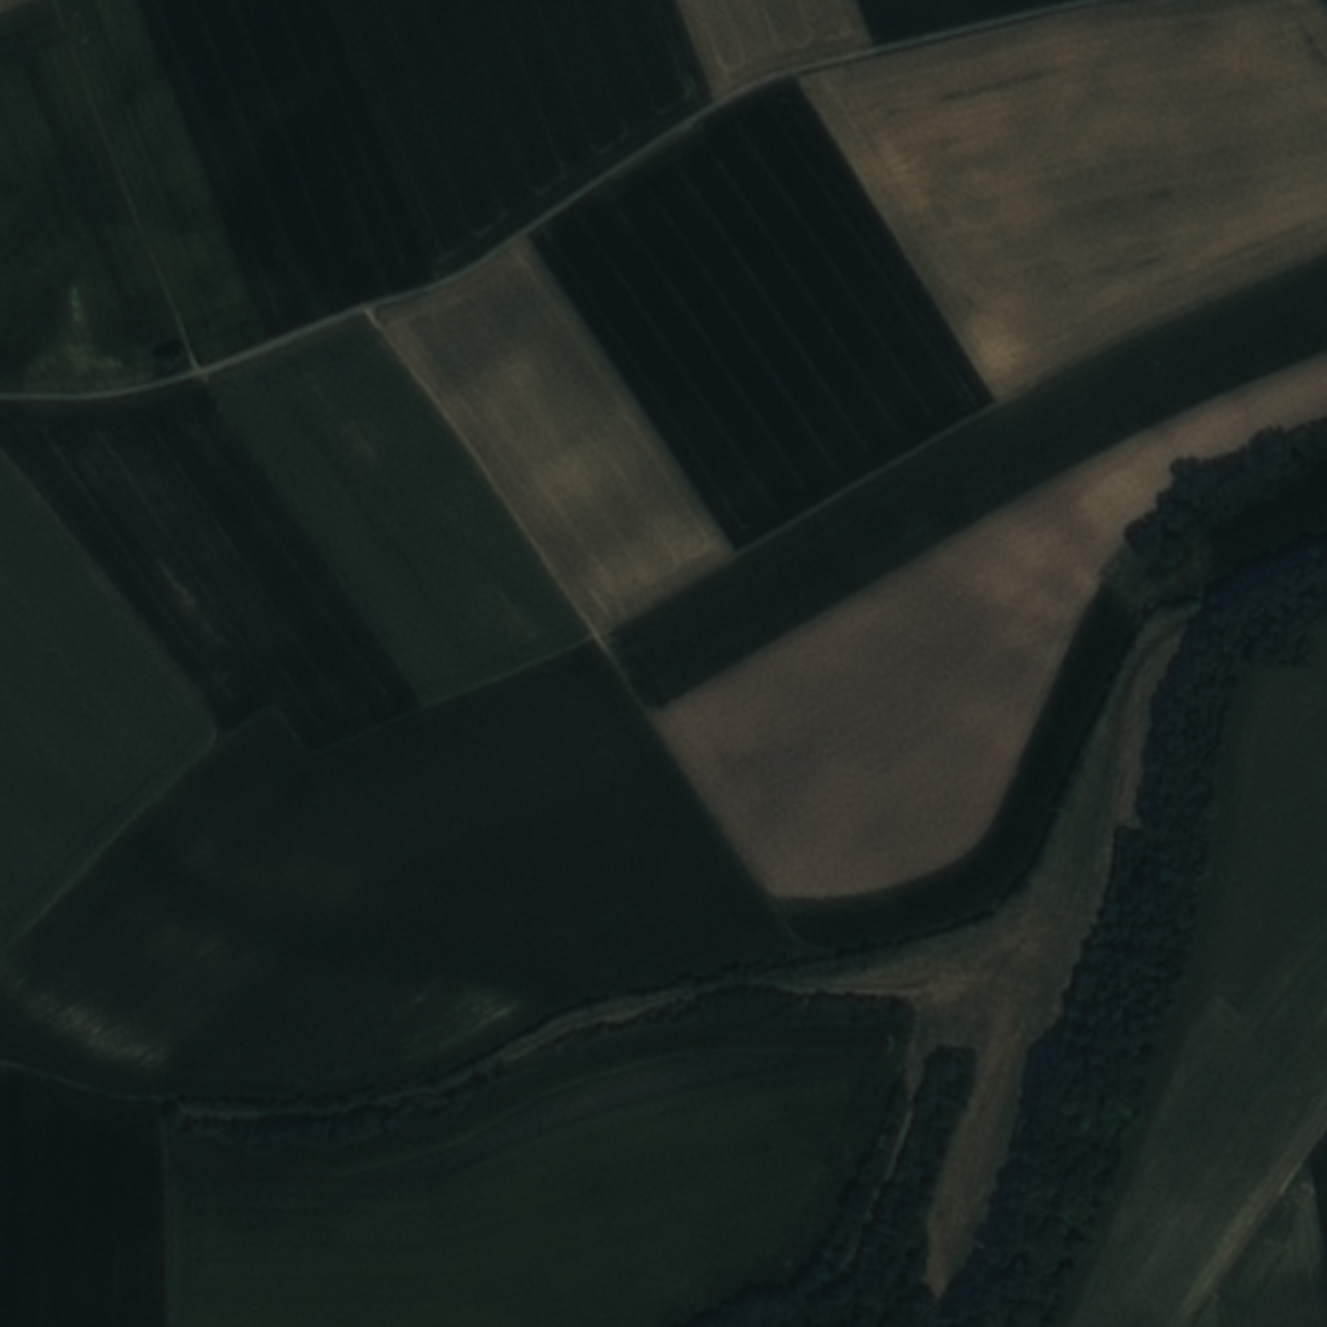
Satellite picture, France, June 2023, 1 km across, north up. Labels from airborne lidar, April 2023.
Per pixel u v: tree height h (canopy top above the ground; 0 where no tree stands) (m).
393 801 0
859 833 0
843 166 0
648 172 0
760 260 0
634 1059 0
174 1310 0
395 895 0
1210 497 23
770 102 0
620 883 0
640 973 0
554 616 0
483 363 0
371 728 0
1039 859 8
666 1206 0
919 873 0
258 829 0
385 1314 0
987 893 0
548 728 0
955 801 0
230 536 0
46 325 0
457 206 0
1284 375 0
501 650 0
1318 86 0
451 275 0
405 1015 0
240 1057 0
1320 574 21
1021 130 0
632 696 0
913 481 0
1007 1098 0
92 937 0
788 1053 0
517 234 0
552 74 0
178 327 0
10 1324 0
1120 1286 0
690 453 0
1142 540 22
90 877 0
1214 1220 0
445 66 0
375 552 0
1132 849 10
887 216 0
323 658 0
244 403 0
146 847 0
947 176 0
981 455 0
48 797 0
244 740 0
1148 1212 0
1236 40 0
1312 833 0
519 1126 0
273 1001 0
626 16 0
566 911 0
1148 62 0
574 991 0
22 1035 0
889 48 0
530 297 0
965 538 0
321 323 0
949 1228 0
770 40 0
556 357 0
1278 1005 0
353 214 0
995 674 0
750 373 0
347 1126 14
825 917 0
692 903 0
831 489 0
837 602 0
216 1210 0
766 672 0
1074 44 0
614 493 0
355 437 0
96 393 0
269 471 0
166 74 0
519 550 0
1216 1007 0
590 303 0
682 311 0
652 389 0
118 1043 0
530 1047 0
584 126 0
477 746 0
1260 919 0
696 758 0
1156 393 0
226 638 0
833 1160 0
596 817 0
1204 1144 0
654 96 0
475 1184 0
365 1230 0
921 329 0
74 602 0
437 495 0
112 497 0
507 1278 0
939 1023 0
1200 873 17
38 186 0
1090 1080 27
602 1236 0
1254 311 0
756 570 0
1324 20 0
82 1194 0
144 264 0
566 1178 0
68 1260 0
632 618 0
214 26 0
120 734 0
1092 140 0
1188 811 24
